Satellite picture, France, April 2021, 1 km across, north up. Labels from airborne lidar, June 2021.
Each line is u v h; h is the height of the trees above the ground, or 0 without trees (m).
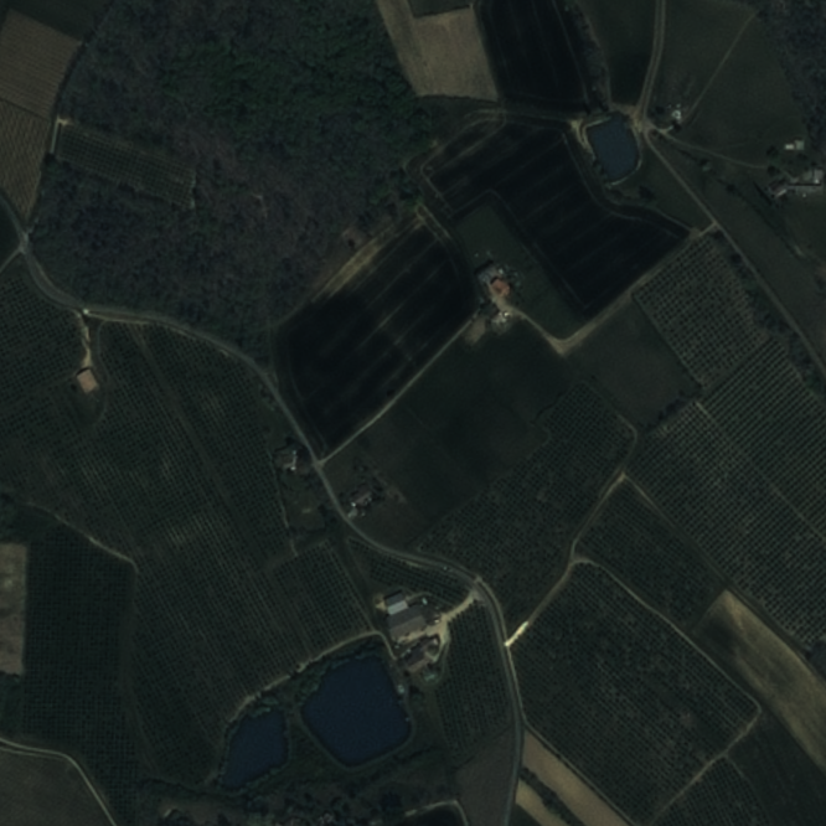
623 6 0
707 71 0
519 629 0
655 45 0
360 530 0
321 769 5
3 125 0
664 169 0
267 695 9
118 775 5
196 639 6
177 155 12
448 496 0
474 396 0
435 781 0
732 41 0
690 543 0
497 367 0
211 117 16
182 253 15
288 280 13
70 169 14
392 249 0
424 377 0
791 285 0
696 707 6
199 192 12
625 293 0
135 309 16
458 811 0
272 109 23
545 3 0
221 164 11
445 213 0
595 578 6
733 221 0
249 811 9
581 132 0
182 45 20
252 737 0
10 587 0
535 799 0
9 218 0
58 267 14
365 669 0
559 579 0
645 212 0
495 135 0
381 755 0
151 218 12
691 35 0
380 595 0
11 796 0
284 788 7
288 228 16
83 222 15
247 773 0
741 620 0
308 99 26
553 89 0
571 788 0
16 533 10
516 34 0
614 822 0
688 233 0
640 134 0
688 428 6
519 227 0
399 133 29
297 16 21
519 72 0
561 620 6
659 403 0
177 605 6
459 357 0
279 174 16
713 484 6
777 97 0
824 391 20
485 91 0
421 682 0
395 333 0
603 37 0
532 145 0
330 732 0
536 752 0
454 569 0
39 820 0
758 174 0
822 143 17
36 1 0
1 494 10
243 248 12
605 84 15
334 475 0
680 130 18
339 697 0
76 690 5
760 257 0
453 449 0
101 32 19
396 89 23
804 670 0
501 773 0
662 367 0
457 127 0
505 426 0
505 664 0
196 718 5
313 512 0
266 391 7
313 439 0
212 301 10
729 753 0
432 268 0
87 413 0
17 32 0
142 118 21
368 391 0
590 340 0
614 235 0
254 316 10
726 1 14
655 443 6
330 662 14
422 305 0
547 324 0
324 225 15
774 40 14
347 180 22
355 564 0
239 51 25
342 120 21
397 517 0
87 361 0
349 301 0
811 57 16
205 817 0
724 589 0
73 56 0
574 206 0
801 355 15
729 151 0
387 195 16
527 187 0
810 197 0
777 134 0
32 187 0
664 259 0
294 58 23
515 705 0
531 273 0
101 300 14
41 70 0
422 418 0
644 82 0
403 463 0
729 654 0
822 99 15
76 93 10
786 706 0
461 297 0
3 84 0
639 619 6
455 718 6
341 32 24
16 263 0
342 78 25
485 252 0
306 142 24
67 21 0
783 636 0
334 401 0
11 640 0
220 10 22
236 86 20
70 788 0
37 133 0
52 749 0
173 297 13
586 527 0
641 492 0
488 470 0
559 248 0
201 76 21
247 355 13
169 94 14
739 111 0
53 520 0
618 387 0
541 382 0
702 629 0
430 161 0
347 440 0
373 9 10
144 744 0
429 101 5
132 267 8
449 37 0
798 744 0
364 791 16
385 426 0
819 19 19
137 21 23
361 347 0
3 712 7
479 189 0
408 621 0
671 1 0
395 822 26
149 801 14
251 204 10
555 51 0
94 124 14
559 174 0
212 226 15
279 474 5
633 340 0
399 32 0
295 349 0
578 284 0
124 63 19
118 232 14
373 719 0
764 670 0
